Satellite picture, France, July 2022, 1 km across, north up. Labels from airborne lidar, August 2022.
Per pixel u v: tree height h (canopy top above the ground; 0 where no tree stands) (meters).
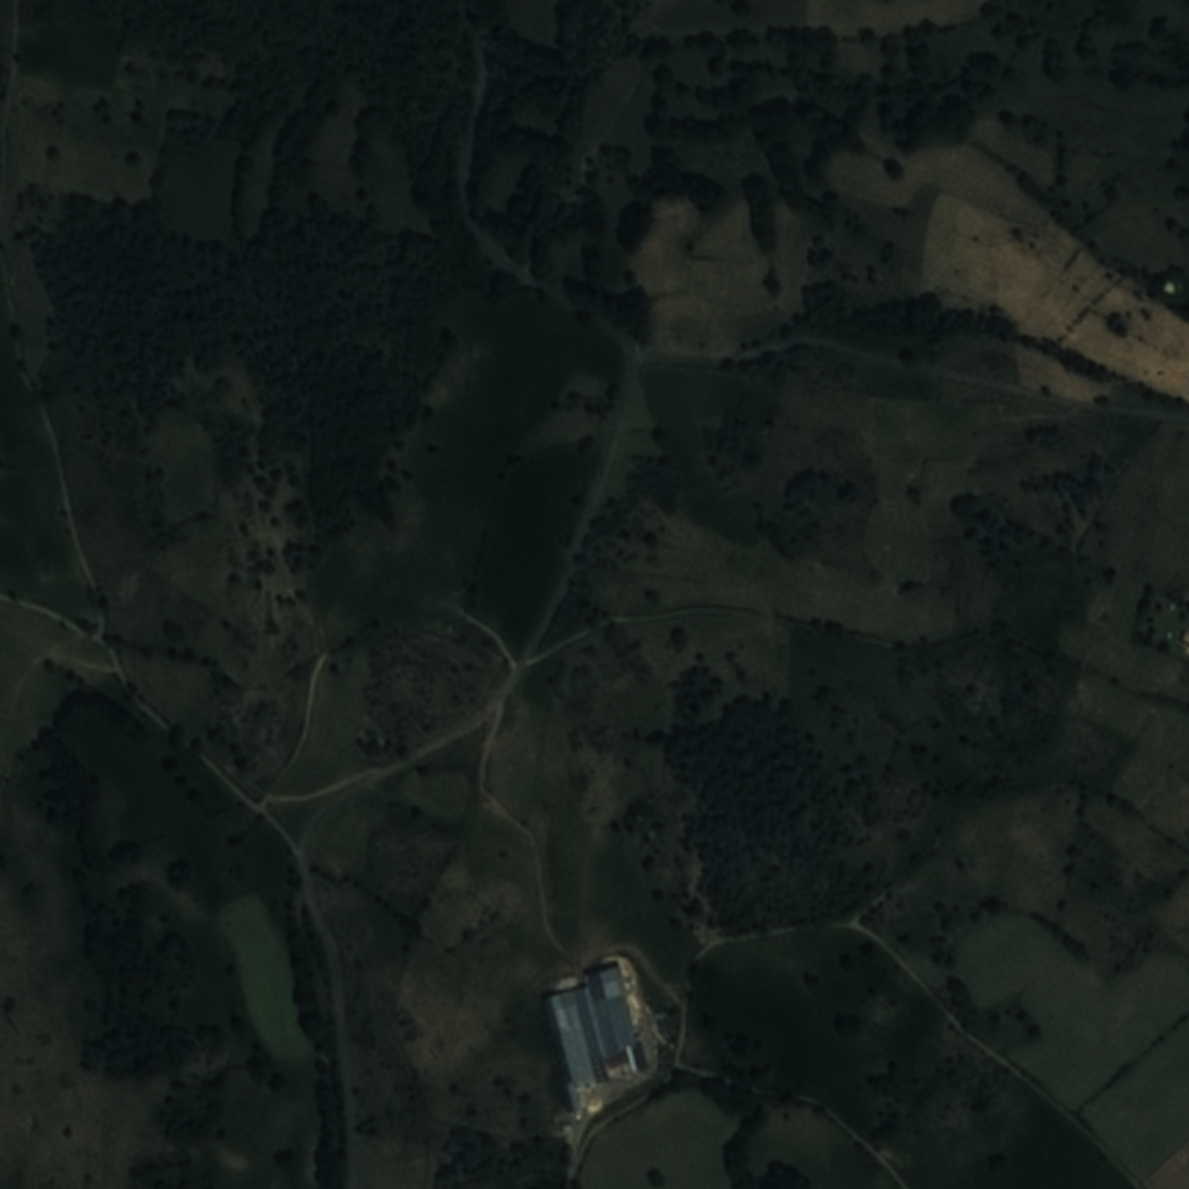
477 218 16
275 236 20
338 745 0
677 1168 0
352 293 8
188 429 0
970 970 0
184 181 0
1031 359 0
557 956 0
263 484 10
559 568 0
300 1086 0
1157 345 0
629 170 9
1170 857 0
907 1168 0
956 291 0
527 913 0
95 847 17
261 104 10
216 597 0
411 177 9
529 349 0
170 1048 8
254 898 0
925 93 15
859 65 0
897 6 0
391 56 14
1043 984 0
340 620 0
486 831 0
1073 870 9
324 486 11
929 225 0
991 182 0
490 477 0
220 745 7
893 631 0
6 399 0
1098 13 7
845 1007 0
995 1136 0
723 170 0
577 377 0
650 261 0
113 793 0
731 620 0
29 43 0
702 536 0
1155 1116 0
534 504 0
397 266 10
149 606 0
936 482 0
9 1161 0
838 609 0
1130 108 0
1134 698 0
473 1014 0
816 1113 8
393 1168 0
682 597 0
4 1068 0
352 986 0
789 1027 0
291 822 0
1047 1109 0
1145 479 0
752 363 8
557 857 0
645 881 0
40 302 0
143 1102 0
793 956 0
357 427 12
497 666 0
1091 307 0
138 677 0
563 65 22
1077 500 13
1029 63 0
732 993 0
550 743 0
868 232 9
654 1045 0
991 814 0
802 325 11
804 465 0
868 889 11
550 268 18
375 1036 0
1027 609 0
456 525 0
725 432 7
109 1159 0
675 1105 0
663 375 0
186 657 11
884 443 0
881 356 0
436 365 9
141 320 10
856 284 6
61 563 0
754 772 11
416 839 0
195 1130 11
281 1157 12
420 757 0
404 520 0
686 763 6
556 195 7
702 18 0
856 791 13
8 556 0
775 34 14
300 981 13
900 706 0
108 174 0
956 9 0
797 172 22
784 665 0
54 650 0
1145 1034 0
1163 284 10
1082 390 0
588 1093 0
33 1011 0
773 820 13
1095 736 0
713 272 0
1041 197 8
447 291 15
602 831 0
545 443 0
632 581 0
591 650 0
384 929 0
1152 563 0
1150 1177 0
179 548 0
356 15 16
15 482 0
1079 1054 0
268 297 16
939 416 0
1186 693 0
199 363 9
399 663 0
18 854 0
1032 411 0
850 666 0
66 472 0
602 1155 0
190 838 0
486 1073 0
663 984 0
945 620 0
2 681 0
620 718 0
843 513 0
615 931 0
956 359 0
